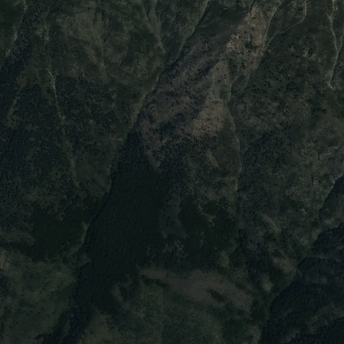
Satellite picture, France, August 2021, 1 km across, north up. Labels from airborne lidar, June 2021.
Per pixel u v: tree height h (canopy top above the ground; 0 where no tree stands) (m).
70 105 17
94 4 0
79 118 11
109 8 0
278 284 6
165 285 12
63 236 15
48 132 17
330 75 0
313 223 10
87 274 18
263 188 13
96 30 0
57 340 14
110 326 6
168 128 13
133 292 6
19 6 0
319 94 9
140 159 16
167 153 13
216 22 0
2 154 9
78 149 8
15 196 6
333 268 7
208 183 8
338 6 0
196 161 8
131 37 0
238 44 0
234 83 0
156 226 11
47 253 8
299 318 16
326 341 21
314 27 0
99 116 13
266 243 10
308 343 21
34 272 6
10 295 6
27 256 14
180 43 0
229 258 8
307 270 9
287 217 6
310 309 6
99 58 0
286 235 6
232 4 0
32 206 12
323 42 0
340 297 6
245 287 9
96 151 13
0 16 0
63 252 10
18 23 0
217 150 7
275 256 7
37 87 12
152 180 14
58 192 10
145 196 11
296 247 18
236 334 12
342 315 0
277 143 6
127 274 13
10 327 6
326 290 6
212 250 17
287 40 0
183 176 16
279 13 0
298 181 6
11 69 16
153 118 12
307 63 0
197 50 0
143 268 12
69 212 18
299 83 0
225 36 0
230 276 7
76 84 9
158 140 0
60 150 15
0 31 0
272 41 0
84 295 15
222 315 7
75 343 16
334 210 0
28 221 9
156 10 0
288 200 8
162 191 12
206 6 0
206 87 0
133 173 11
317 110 7
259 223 8
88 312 18
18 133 18
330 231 6
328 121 0
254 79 0
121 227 14
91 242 12
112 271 13
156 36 0
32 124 13
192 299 6
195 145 9
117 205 15
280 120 0
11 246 12
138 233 14
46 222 16
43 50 7
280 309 15
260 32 0
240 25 0
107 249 20
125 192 15
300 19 0
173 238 11
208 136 10
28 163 10
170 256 8
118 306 10
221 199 8
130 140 12
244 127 0
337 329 18
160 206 10
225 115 0
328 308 8
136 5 0
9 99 16
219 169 7
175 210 0
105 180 0
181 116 11
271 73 8
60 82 12
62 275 0
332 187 0
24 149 14
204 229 12
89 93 14
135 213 12
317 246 10
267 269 15
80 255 10
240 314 13
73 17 0
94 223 18
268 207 11
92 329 0
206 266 15
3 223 10
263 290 10
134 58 0
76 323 18
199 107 10
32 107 17
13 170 11
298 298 11
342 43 0
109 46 0
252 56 0
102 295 11
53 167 13
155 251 11
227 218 22
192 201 12
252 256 29
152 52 0
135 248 12
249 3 0
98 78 0
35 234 16
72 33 0
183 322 8
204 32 0
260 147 11
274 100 8
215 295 12
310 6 0
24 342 0
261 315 11
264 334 12
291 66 8
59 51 9
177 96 13
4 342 0
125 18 0
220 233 16
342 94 0
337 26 0
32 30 8
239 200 8
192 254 10
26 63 14
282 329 11
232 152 0
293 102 0
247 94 0
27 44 9
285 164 10
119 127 9
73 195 9
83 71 0
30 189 7
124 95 0
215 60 0
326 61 0
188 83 10
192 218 13
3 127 18
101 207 7
